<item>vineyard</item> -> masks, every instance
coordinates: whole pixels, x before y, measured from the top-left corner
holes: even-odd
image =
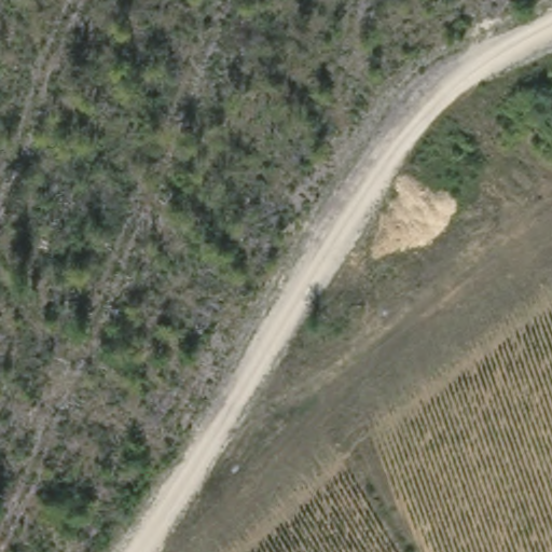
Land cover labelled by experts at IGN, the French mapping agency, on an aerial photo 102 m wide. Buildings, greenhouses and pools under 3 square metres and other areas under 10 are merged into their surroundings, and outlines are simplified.
[[[440,390],[438,397],[431,397],[416,418],[403,418],[397,431],[390,433],[388,440],[384,440],[375,449],[382,472],[386,474],[390,498],[395,502],[392,507],[384,502],[377,489],[367,494],[367,483],[358,483],[356,472],[345,468],[326,483],[326,492],[317,492],[306,505],[300,507],[291,522],[280,524],[276,528],[276,535],[267,537],[254,552],[552,552],[552,313],[539,315],[533,326],[524,328],[524,332],[515,332],[515,336],[500,343],[494,356],[485,358],[479,364],[477,373],[459,375],[453,384]]]

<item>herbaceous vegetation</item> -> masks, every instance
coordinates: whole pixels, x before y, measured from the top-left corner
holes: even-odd
[[[399,196],[397,190],[388,188],[382,194],[380,203],[369,211],[369,222],[362,226],[362,235],[345,254],[341,267],[334,272],[330,282],[326,287],[313,287],[306,317],[298,323],[285,349],[278,351],[270,373],[263,377],[263,382],[257,386],[248,403],[242,408],[237,425],[229,431],[226,446],[218,455],[201,489],[192,496],[183,513],[177,518],[160,552],[254,552],[267,537],[276,535],[276,528],[280,524],[291,522],[300,507],[306,505],[317,492],[326,492],[326,483],[345,468],[356,472],[358,483],[367,483],[367,494],[377,489],[384,502],[392,507],[395,502],[390,498],[386,474],[382,472],[375,449],[384,440],[388,440],[390,433],[397,431],[403,418],[416,418],[431,397],[438,397],[440,390],[453,384],[459,375],[477,373],[479,364],[485,358],[494,356],[500,343],[515,336],[515,332],[524,332],[524,328],[533,326],[539,315],[552,313],[552,160],[548,160],[533,144],[533,134],[507,134],[507,129],[496,121],[498,97],[507,95],[511,84],[518,80],[518,71],[513,69],[515,65],[498,71],[487,80],[481,80],[477,86],[461,93],[446,110],[459,121],[461,129],[477,136],[477,140],[481,142],[481,153],[485,155],[477,203],[466,211],[461,211],[455,205],[455,213],[451,216],[446,229],[431,244],[420,248],[408,248],[401,252],[390,252],[375,259],[373,244],[386,239],[386,231],[380,229],[380,220],[382,216],[390,213],[390,205]]]
[[[423,166],[412,164],[405,157],[397,168],[403,177],[416,181],[423,175]]]
[[[265,289],[257,293],[257,300],[248,302],[248,317],[235,334],[235,339],[222,341],[222,334],[211,334],[211,341],[198,347],[196,358],[183,371],[177,371],[177,388],[173,388],[157,375],[157,367],[147,367],[147,375],[155,390],[147,395],[149,401],[142,408],[138,380],[127,380],[119,375],[106,362],[99,362],[95,377],[88,377],[84,373],[84,362],[78,362],[71,369],[69,360],[58,356],[54,356],[47,367],[50,388],[43,388],[41,397],[37,399],[37,405],[32,408],[30,401],[24,405],[11,403],[9,412],[15,427],[13,436],[22,438],[28,429],[35,429],[35,440],[30,449],[32,453],[50,453],[50,449],[56,446],[56,431],[60,418],[52,416],[54,408],[69,410],[71,420],[80,423],[82,418],[88,418],[104,425],[112,425],[116,431],[123,433],[134,420],[138,420],[144,440],[151,446],[151,457],[162,457],[166,453],[164,440],[177,436],[177,423],[192,425],[192,438],[205,431],[205,427],[216,418],[218,410],[224,405],[226,395],[222,392],[222,388],[235,382],[235,373],[254,334],[259,332],[261,321],[270,317],[272,308],[280,298],[280,291],[291,280],[293,267],[304,254],[304,246],[311,237],[313,224],[326,216],[328,198],[332,196],[332,192],[345,185],[347,177],[356,173],[360,157],[373,149],[373,144],[384,134],[388,134],[392,127],[405,125],[418,112],[418,108],[440,88],[440,84],[457,71],[459,54],[464,54],[472,43],[483,43],[485,39],[507,35],[511,30],[502,22],[502,15],[515,13],[511,0],[457,0],[472,22],[464,41],[449,41],[436,45],[431,52],[420,52],[420,56],[410,54],[412,58],[397,75],[390,75],[384,80],[384,84],[375,86],[375,93],[369,99],[369,110],[362,112],[362,125],[356,127],[354,136],[328,136],[332,144],[332,157],[319,160],[313,166],[313,175],[306,177],[295,188],[295,192],[285,190],[282,198],[291,201],[295,209],[302,207],[302,201],[311,201],[311,213],[308,220],[298,220],[285,226],[285,246],[289,248],[289,252],[276,261],[276,270],[267,274]]]

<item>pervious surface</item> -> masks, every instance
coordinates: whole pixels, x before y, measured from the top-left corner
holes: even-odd
[[[487,80],[498,71],[515,65],[528,65],[546,54],[552,54],[552,0],[537,0],[537,19],[511,30],[507,35],[485,39],[483,43],[472,43],[464,54],[459,54],[457,71],[440,84],[440,88],[418,108],[418,112],[405,125],[392,127],[388,134],[384,134],[373,144],[373,149],[360,157],[356,173],[347,177],[345,185],[332,192],[332,196],[328,198],[326,216],[313,224],[311,237],[304,246],[304,254],[293,267],[291,280],[280,291],[280,298],[272,308],[270,317],[261,321],[259,332],[254,334],[235,373],[235,382],[222,388],[222,392],[226,395],[224,405],[218,410],[216,418],[205,427],[205,431],[192,438],[192,444],[185,449],[181,464],[173,468],[168,479],[157,489],[151,489],[151,494],[142,498],[144,511],[138,518],[138,524],[121,539],[112,541],[114,552],[160,552],[177,518],[183,513],[192,496],[201,489],[218,455],[226,446],[229,431],[237,425],[242,408],[248,403],[257,386],[263,382],[263,377],[270,373],[278,351],[285,349],[298,323],[306,317],[313,287],[326,287],[330,282],[334,272],[341,267],[345,254],[362,235],[362,226],[369,222],[369,211],[380,203],[382,194],[388,188],[397,190],[403,177],[397,168],[405,157],[418,142],[418,138],[427,132],[427,127],[446,110],[461,93],[477,86],[481,80]]]

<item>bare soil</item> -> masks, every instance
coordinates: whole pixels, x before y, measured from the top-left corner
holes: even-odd
[[[375,259],[390,252],[401,252],[408,248],[420,248],[431,244],[446,229],[451,216],[455,213],[455,205],[455,198],[451,194],[431,192],[427,188],[420,188],[420,183],[416,181],[403,177],[397,190],[399,196],[390,205],[390,213],[382,216],[380,220],[380,229],[386,231],[386,239],[373,244]]]

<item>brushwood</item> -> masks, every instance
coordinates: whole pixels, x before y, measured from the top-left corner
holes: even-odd
[[[477,140],[477,136],[461,129],[459,121],[446,110],[427,127],[427,132],[418,138],[418,142],[405,157],[412,164],[423,166],[423,175],[416,181],[420,183],[420,188],[427,188],[431,192],[451,194],[455,198],[455,205],[461,211],[466,211],[477,203],[485,155],[481,153],[481,142]]]
[[[518,71],[518,80],[511,84],[507,95],[498,97],[496,121],[507,129],[507,134],[533,134],[533,144],[548,160],[552,160],[552,54],[546,54],[528,65],[515,65],[513,69]]]

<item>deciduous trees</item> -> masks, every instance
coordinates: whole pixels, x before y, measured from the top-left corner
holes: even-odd
[[[511,30],[537,19],[537,0],[511,0],[515,13],[502,15],[502,22]]]
[[[88,418],[82,418],[80,423],[71,420],[69,410],[54,408],[52,416],[60,418],[56,431],[56,446],[50,449],[50,453],[32,453],[30,449],[35,440],[35,429],[28,429],[22,438],[13,436],[15,427],[9,412],[11,403],[24,405],[30,401],[32,408],[37,405],[37,399],[41,397],[43,388],[50,388],[47,367],[54,356],[58,356],[69,360],[71,369],[78,362],[84,362],[84,373],[88,377],[95,377],[99,362],[106,362],[119,375],[127,380],[138,380],[142,408],[149,401],[147,395],[155,390],[147,375],[147,367],[157,367],[157,375],[173,388],[177,388],[177,371],[183,371],[196,358],[198,347],[211,341],[211,334],[222,334],[222,341],[235,339],[235,334],[248,317],[248,302],[257,300],[257,293],[265,289],[267,274],[276,270],[276,261],[289,252],[289,248],[285,246],[285,226],[298,220],[308,220],[311,213],[311,201],[302,201],[302,207],[295,209],[291,201],[282,198],[285,190],[295,192],[295,188],[306,177],[313,175],[313,166],[319,160],[332,157],[332,144],[328,136],[354,136],[356,127],[362,125],[362,112],[369,110],[369,99],[375,93],[375,86],[384,84],[384,80],[390,75],[397,75],[412,58],[410,54],[420,56],[420,52],[431,52],[436,45],[449,41],[464,41],[472,22],[457,0],[0,0],[0,552],[114,552],[112,541],[121,539],[138,524],[138,518],[144,511],[142,498],[151,494],[151,489],[157,489],[168,479],[173,468],[181,464],[185,449],[192,444],[192,438],[192,425],[177,423],[177,436],[164,440],[166,453],[162,457],[151,457],[151,446],[144,440],[138,420],[134,420],[123,433],[116,431],[112,425],[104,425]]]

